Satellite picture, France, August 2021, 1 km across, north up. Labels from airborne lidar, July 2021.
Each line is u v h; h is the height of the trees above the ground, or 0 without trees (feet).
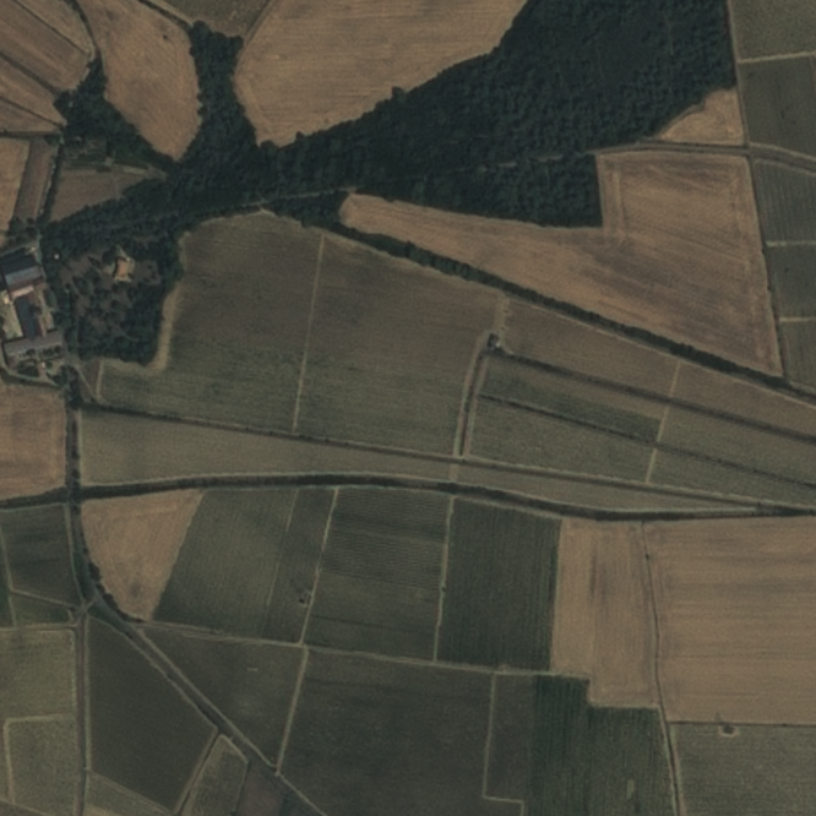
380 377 0
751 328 0
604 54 20
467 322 0
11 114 0
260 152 49
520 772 0
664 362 0
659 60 31
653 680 0
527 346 0
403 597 0
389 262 0
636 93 44
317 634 0
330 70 0
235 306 0
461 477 0
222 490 0
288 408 0
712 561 0
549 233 0
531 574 0
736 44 0
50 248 43
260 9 0
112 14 0
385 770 0
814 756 0
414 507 0
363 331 0
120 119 69
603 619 0
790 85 0
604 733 0
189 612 0
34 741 0
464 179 36
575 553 0
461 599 0
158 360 0
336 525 0
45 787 0
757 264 0
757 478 0
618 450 0
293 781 0
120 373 0
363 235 22
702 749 0
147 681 0
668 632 0
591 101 18
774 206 0
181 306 0
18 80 0
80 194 0
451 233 0
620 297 0
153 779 0
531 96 38
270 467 0
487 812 0
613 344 0
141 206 44
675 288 0
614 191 0
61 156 34
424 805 0
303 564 0
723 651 0
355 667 0
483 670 0
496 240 0
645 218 0
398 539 0
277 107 0
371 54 0
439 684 0
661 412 0
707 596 0
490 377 0
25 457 0
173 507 0
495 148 48
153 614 0
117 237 58
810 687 0
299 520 0
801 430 0
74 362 0
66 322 69
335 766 0
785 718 0
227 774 0
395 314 0
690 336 0
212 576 0
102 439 0
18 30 0
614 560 0
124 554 0
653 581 0
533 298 23
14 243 26
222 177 49
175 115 0
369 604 0
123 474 0
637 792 0
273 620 0
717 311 0
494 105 60
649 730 0
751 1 0
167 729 0
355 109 0
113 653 0
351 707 0
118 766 0
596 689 0
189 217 65
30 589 0
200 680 0
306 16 0
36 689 0
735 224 0
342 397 0
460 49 0
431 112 41
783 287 0
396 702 0
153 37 0
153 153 47
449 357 0
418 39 0
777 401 0
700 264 0
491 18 0
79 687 0
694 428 0
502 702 0
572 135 49
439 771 0
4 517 0
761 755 0
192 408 0
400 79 0
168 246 59
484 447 0
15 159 0
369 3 0
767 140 0
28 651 0
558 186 52
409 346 0
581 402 0
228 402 0
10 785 0
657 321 0
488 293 0
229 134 39
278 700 0
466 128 38
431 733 0
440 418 0
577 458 0
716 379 0
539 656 0
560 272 0
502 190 61
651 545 0
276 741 0
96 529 0
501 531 0
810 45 0
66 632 0
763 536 0
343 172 47
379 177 67
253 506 0
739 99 0
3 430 0
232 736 0
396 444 0
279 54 0
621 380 0
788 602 0
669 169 0
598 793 0
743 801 0
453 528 0
